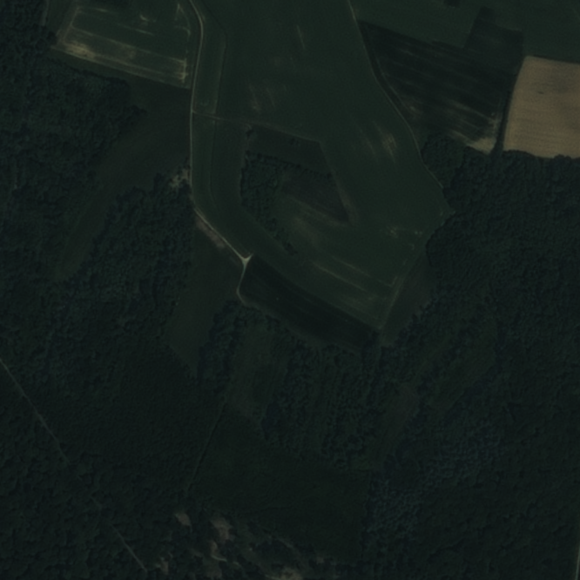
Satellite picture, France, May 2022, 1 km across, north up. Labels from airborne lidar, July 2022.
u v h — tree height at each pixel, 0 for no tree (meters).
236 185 0
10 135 23
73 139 21
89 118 26
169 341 0
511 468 31
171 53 0
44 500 32
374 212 0
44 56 17
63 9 0
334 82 0
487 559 30
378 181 0
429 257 14
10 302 28
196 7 0
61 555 33
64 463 29
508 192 26
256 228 0
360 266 0
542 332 21
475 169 17
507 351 31
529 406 24
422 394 21
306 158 0
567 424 30
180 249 31
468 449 32
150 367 20
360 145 0
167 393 19
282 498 6
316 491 6
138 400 17
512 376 30
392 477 28
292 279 0
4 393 22
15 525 32
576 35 0
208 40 0
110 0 19
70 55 0
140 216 22
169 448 22
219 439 7
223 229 0
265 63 0
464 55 0
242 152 0
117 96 29
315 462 9
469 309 20
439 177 5
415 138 0
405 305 0
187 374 15
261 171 20
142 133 0
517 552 31
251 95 0
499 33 0
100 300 29
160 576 25
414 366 23
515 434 28
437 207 0
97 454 17
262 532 22
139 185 0
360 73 0
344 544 6
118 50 0
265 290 0
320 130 0
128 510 31
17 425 29
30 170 26
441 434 22
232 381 17
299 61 0
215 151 0
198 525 26
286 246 17
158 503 31
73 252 0
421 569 28
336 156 0
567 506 23
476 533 22
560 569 31
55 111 15
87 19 0
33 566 31
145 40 0
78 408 20
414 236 0
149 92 0
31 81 24
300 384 26
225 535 0
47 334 16
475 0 0
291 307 0
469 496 28
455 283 16
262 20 0
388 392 20
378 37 0
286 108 0
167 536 25
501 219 27
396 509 32
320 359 8
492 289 19
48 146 19
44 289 18
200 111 0
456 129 0
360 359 8
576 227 22
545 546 27
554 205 16
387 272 0
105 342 25
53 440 29
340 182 0
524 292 22
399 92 0
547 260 25
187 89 0
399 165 0
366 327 0
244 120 0
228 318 19
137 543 31
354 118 0
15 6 9
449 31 0
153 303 19
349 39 0
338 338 0
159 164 0
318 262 0
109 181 0
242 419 7
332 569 26
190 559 27
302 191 0
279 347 6
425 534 30
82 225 0
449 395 6
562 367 23
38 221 25
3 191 26
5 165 26
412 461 28
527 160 26
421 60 0
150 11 0
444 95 0
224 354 29
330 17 0
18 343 15
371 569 28
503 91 0
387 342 0
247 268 0
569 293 26
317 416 13
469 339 25
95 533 29
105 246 19
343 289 0
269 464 8
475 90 0
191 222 26
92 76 20
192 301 0
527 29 0
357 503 8
